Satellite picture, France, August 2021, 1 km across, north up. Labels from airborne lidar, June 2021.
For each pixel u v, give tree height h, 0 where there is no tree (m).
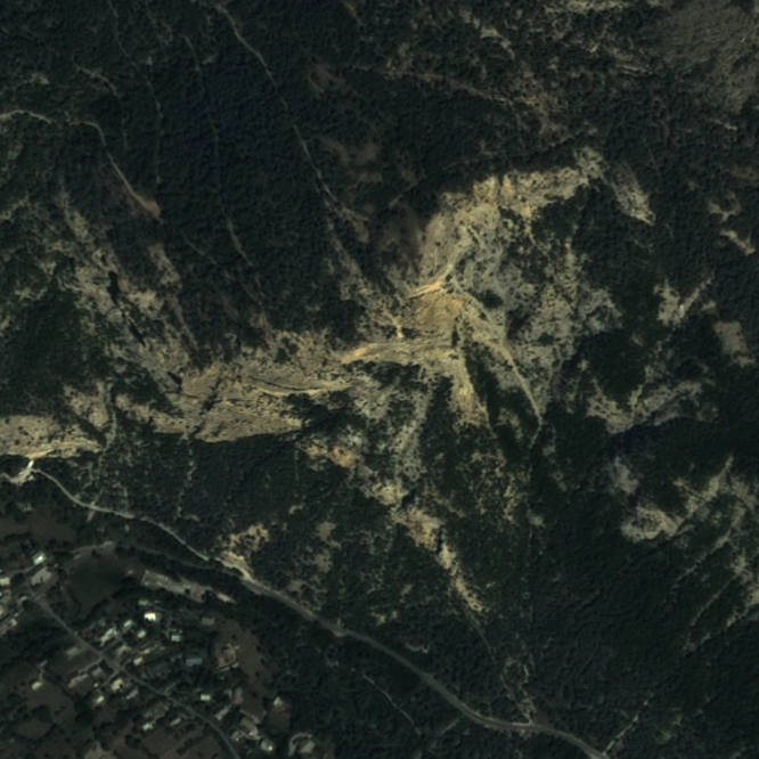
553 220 10
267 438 11
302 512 7
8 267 6
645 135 13
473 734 9
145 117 10
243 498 9
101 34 10
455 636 13
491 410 6
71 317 5
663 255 14
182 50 8
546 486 8
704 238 13
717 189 7
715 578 7
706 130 13
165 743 0
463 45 11
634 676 10
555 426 6
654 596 10
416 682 10
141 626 14
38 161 8
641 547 10
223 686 12
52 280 8
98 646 8
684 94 11
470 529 10
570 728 6
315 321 10
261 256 11
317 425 9
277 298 7
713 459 8
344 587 5
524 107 9
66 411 8
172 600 11
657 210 16
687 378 8
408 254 0
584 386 6
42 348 7
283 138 14
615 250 16
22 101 10
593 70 21
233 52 13
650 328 9
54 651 7
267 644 10
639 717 9
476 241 7
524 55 19
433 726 13
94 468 7
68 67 16
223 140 11
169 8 12
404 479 9
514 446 7
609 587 12
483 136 13
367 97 11
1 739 6
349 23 9
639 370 6
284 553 9
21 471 0
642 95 13
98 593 0
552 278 9
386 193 14
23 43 15
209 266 7
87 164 13
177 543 6
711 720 10
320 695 6
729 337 0
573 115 14
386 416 5
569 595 6
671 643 10
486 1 15
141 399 7
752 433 7
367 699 14
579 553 10
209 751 0
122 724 11
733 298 11
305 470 12
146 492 7
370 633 14
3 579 0
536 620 14
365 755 10
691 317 6
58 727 9
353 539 6
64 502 6
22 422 0
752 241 7
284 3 14
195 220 14
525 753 11
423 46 11
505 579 6
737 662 9
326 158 10
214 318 10
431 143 13
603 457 7
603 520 10
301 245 15
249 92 16
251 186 9
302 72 6
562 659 12
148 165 12
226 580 14
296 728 11
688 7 0
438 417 6
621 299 6
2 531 0
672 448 9
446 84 11
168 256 9
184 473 11
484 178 6
